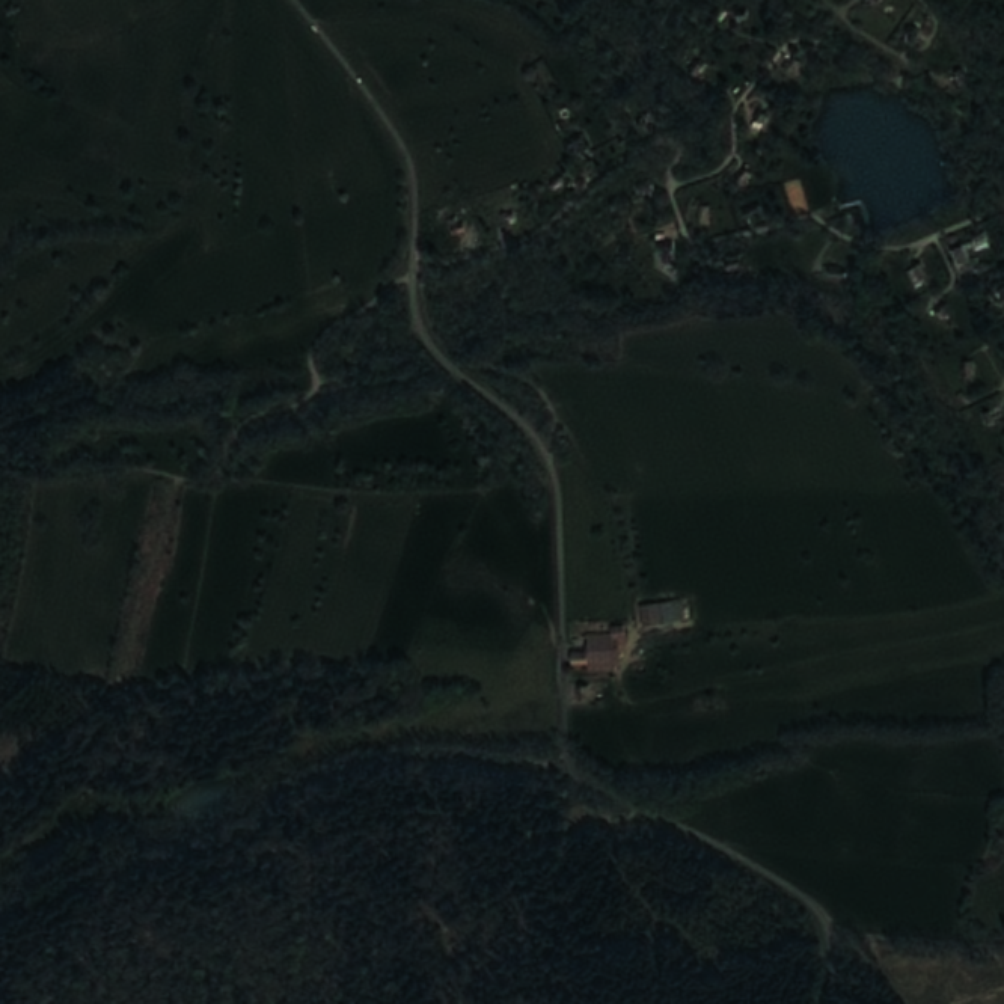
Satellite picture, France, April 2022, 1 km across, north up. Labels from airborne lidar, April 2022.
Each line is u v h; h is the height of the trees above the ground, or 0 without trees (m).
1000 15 19
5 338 0
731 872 24
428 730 0
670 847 30
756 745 0
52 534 0
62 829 0
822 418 0
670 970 28
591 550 0
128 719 34
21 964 32
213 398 23
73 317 10
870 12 0
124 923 31
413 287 0
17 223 0
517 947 31
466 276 17
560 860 34
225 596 0
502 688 0
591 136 0
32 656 0
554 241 17
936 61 0
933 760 0
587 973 33
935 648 0
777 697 0
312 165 0
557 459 19
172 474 0
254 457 10
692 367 0
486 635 0
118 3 0
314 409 21
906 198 0
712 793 18
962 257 0
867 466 0
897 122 0
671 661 0
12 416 32
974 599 0
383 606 0
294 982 25
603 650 0
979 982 0
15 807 36
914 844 0
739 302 26
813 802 0
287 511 8
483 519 0
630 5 22
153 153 0
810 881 0
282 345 0
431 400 16
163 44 0
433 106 0
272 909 28
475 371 0
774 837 0
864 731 20
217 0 0
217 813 16
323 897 31
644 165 20
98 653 0
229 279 0
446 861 31
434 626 0
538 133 0
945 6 28
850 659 0
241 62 0
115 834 34
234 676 26
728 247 7
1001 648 0
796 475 0
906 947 25
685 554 0
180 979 24
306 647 0
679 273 0
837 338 22
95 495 0
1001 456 11
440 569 0
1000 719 26
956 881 0
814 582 0
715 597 0
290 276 0
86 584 0
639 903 8
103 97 0
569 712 0
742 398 0
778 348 0
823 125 0
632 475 0
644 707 0
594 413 0
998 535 12
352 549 0
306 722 23
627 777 21
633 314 7
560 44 17
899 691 0
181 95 0
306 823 36
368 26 0
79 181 0
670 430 0
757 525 0
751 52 7
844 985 23
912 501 0
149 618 0
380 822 28
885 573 0
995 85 29
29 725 11
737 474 0
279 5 0
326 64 0
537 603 0
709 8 21
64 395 35
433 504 0
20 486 13
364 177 0
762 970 24
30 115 0
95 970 28
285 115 0
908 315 23
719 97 25
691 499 0
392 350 37
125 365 12
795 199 0
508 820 31
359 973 27
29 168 0
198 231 0
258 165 0
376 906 30
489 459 18
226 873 23
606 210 12
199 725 33
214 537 0
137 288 0
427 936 29
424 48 0
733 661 0
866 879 0
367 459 0
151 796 20
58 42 0
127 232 16
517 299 22
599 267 17
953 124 22
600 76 10
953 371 0
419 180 0
